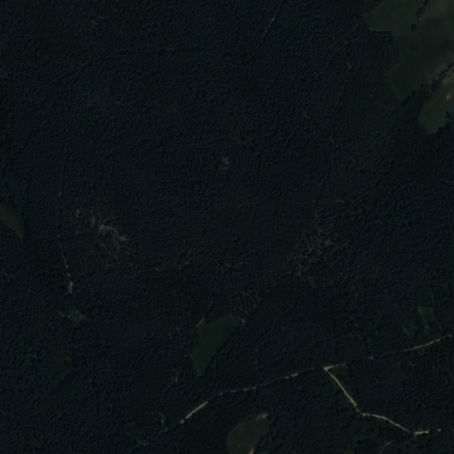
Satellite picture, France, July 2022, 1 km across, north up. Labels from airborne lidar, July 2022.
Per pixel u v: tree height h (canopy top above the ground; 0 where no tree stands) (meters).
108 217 10
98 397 27
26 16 16
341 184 16
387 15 0
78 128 22
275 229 21
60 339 29
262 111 22
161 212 18
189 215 22
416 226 16
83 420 32
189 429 15
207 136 23
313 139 16
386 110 18
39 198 23
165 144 23
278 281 18
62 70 21
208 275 19
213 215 25
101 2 21
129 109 20
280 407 11
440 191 23
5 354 29
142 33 18
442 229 23
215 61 26
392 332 17
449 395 7
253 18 17
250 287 17
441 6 0
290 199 21
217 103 28
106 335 25
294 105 22
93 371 26
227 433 17
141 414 20
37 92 18
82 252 14
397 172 24
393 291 15
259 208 21
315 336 19
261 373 21
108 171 19
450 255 26
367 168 20
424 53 0
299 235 15
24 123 21
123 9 28
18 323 25
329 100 16
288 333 22
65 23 13
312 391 20
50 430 32
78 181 22
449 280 15
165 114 26
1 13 22
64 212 15
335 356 18
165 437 24
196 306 14
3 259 29
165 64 27
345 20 14
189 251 11
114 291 18
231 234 21
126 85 20
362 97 19
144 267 13
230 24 26
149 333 19
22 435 25
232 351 15
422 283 20
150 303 21
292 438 20
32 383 32
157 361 17
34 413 25
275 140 25
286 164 23
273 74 21
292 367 26
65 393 28
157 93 27
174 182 21
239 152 26
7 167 16
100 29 21
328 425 18
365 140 22
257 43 22
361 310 16
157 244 17
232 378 16
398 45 12
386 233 13
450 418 11
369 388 20
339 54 14
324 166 14
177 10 26
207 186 26
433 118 0
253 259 17
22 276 31
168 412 23
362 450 17
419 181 26
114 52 21
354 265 21
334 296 17
